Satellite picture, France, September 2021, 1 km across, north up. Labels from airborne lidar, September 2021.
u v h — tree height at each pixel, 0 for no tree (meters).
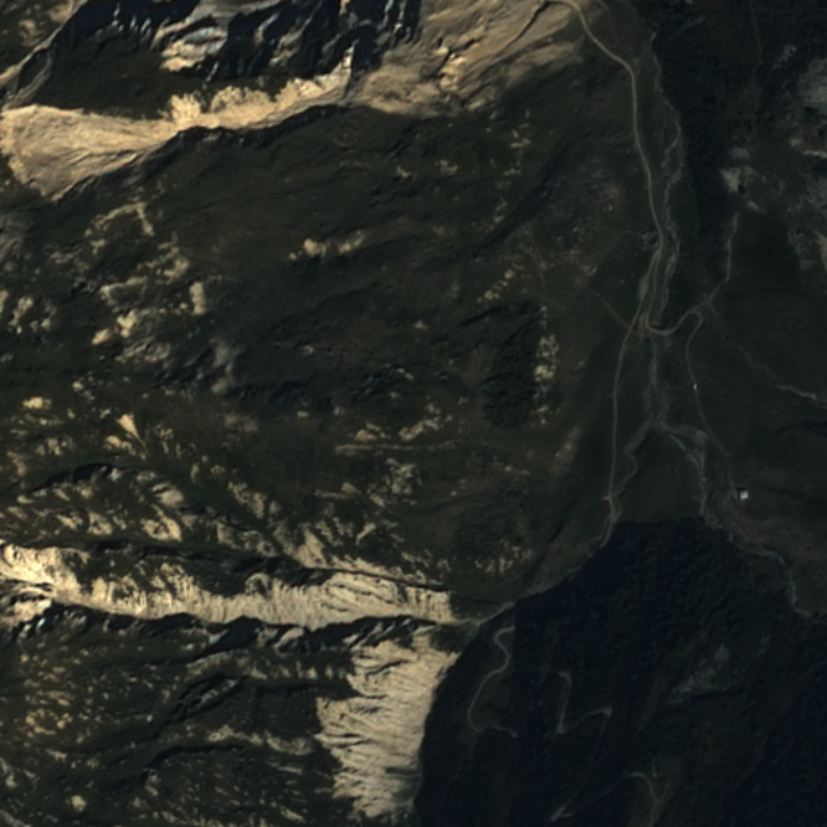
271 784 0
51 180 0
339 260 0
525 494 0
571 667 7
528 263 0
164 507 0
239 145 0
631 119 0
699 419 0
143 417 0
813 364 0
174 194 0
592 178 0
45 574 0
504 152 0
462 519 0
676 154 0
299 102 0
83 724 0
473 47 0
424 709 0
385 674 0
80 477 0
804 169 0
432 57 0
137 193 0
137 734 0
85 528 0
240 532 0
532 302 0
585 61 0
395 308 0
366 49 0
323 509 0
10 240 0
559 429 0
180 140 0
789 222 0
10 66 0
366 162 0
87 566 0
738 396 0
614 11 0
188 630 0
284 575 0
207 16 0
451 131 0
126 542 0
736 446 0
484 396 0
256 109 0
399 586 0
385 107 0
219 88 0
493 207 0
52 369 0
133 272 0
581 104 0
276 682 0
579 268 0
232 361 0
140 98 0
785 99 0
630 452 0
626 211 0
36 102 0
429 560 0
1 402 0
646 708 0
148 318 0
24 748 0
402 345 0
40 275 0
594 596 11
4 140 0
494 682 0
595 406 0
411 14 0
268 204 0
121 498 0
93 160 0
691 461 0
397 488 0
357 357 0
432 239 0
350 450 0
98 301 0
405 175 0
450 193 0
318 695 0
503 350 0
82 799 0
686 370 0
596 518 0
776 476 0
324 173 0
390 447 0
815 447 0
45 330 0
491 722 0
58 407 0
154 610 0
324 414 0
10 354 0
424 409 0
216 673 0
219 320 0
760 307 0
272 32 0
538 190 0
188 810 0
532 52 0
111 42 0
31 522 0
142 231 0
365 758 0
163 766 0
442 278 0
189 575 0
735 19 0
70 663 0
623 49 0
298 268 0
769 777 5
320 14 0
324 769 0
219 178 0
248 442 0
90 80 0
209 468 0
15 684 0
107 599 0
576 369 0
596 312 0
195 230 0
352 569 0
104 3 0
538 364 0
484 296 0
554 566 0
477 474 0
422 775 0
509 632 0
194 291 0
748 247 0
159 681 0
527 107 0
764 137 0
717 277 0
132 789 0
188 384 0
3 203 0
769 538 0
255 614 0
